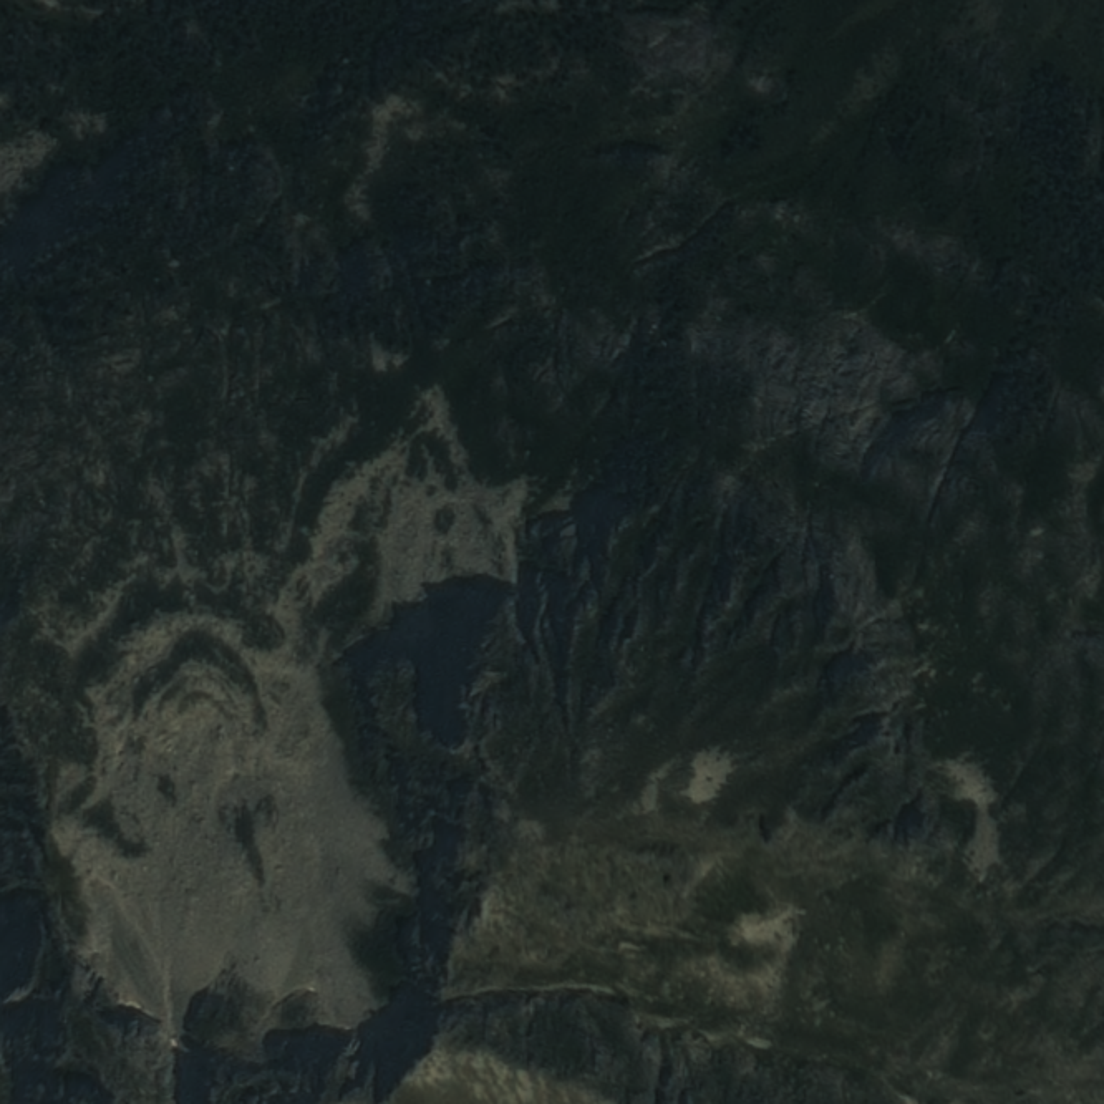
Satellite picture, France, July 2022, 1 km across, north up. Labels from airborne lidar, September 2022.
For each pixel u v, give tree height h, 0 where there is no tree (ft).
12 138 0
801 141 0
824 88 0
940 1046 0
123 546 0
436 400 0
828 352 0
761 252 0
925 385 0
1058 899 0
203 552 0
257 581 0
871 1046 0
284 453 0
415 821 0
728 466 0
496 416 0
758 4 24
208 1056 0
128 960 0
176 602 0
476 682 0
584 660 0
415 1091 0
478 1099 0
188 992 0
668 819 0
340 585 0
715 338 0
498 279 23
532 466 0
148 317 0
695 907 0
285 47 26
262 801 0
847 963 0
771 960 0
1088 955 0
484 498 0
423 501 0
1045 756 0
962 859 0
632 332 0
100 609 0
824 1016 0
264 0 28
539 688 0
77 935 0
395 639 0
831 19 0
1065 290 24
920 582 0
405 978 0
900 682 0
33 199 0
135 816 0
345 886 0
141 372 0
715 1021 0
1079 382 0
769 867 0
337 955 0
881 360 0
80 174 23
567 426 0
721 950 0
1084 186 31
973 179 22
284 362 0
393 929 0
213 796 0
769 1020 0
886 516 0
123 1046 0
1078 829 0
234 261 0
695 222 27
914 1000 0
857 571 0
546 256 0
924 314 0
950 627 0
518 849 0
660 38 0
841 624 0
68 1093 0
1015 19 0
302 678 0
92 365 0
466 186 0
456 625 0
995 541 0
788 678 0
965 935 0
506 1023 0
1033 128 34
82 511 0
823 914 0
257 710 0
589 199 0
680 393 30
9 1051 0
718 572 0
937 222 0
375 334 0
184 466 0
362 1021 0
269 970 0
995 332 0
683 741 0
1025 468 0
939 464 0
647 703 0
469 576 0
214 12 29
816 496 0
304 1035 0
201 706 0
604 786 0
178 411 0
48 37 38
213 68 22
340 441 0
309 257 0
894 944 0
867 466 0
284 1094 0
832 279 0
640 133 0
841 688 0
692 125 0
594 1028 0
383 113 0
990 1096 0
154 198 27
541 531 0
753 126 25
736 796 0
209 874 0
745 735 0
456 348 0
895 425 0
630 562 0
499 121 20
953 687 0
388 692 0
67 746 0
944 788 0
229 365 0
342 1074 0
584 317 0
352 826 0
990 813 0
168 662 0
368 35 24
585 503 0
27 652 0
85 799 0
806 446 0
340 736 0
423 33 24
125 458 0
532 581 0
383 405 0
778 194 0
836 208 0
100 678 0
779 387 0
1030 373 23
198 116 41
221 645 0
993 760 0
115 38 20
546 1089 0
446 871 0
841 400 0
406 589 0
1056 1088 0
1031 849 0
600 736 0
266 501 0
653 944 0
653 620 0
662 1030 0
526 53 20
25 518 0
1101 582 0
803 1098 0
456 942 0
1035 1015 0
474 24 29
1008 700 0
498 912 0
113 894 0
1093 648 0
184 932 0
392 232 0
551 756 0
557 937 0
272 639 0
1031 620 0
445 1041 0
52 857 0
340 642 0
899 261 0
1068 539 0
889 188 0
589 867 0
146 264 0
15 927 0
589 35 41
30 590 0
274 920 0
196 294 0
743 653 0
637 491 30
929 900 0
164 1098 0
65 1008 0
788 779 0
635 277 0
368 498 0
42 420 0
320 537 0
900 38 0
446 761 0
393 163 0
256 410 0
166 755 0
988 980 0
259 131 0
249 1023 0
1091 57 0
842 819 0
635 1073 0
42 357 0
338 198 0
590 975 0
